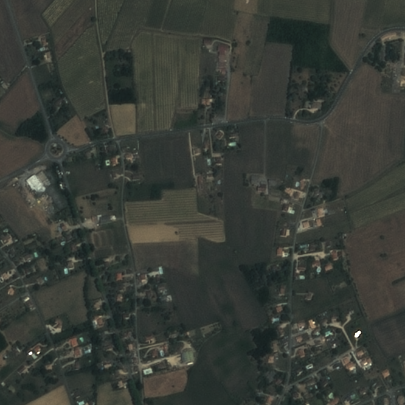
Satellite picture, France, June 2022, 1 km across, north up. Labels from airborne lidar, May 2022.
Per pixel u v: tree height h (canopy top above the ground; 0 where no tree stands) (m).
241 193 0
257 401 14
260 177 0
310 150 0
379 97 0
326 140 0
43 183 0
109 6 0
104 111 6
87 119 6
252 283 11
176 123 0
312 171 0
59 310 0
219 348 0
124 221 0
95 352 7
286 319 14
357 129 0
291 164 0
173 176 0
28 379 0
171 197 0
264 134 0
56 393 0
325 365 0
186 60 0
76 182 0
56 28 0
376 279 0
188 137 0
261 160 0
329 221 0
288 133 0
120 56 6
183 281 0
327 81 8
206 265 0
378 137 0
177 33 0
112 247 0
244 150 0
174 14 0
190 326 0
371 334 0
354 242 0
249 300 0
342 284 0
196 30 0
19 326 0
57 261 11
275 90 0
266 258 0
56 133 6
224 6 0
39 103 0
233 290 0
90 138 10
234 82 0
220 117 0
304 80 0
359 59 0
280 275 8
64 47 0
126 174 0
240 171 0
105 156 7
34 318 0
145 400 9
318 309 0
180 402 0
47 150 0
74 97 0
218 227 0
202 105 7
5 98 0
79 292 0
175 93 0
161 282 12
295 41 7
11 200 0
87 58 0
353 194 0
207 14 0
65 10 0
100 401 0
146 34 0
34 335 0
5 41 0
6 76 0
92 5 0
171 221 0
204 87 7
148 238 0
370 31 0
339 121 0
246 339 0
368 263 0
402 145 0
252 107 0
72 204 22
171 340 10
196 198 0
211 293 0
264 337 12
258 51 0
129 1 0
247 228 0
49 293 0
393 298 0
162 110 0
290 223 0
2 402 0
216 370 0
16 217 0
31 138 13
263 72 0
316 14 0
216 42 0
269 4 0
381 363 0
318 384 11
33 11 0
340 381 0
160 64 0
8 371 0
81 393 0
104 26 0
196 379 0
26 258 0
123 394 0
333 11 0
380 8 0
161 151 0
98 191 0
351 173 0
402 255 0
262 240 0
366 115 0
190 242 0
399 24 0
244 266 10
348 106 0
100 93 0
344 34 0
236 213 0
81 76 0
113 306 8
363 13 0
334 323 0
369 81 0
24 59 0
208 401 0
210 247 0
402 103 0
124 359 19
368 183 0
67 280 0
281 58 0
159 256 0
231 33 0
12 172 0
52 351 0
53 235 0
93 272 25
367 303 0
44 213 0
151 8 0
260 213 0
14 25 0
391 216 0
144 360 13
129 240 0
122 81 0
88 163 0
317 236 0
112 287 10
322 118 0
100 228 0
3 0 0
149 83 0
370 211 0
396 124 0
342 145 0
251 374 0
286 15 0
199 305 0
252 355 12
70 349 7
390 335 0
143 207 0
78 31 0
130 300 7
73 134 0
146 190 0
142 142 0
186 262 0
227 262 0
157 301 10
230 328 0
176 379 0
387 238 0
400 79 0
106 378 0
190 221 0
